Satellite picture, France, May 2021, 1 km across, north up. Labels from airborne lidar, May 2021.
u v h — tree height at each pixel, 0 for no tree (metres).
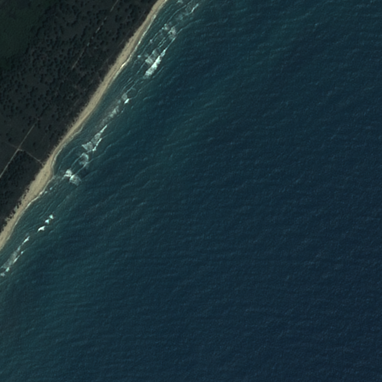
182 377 0
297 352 0
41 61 12
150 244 0
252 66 0
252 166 0
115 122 0
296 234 0
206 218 0
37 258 0
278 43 0
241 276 0
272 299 0
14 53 7
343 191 0
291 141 0
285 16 0
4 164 0
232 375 0
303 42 0
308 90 0
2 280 0
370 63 0
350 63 0
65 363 0
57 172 0
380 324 0
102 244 0
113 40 12
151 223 0
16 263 0
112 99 0
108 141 0
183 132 0
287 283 0
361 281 0
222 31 0
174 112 0
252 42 0
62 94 13
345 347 0
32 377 0
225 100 0
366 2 0
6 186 11
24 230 0
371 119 0
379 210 0
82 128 0
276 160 0
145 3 9
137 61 0
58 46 11
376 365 0
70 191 0
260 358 0
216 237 0
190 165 0
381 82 0
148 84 0
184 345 0
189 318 0
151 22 0
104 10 8
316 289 0
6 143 0
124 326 0
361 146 0
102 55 13
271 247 0
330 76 0
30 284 0
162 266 0
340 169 0
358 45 0
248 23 0
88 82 10
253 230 0
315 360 0
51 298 0
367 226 0
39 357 0
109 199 0
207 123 0
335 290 0
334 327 0
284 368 0
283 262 0
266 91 0
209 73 0
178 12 0
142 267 0
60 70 13
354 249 0
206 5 0
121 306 0
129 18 13
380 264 0
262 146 0
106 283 0
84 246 0
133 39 0
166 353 0
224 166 0
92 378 0
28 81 0
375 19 0
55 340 0
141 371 0
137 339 0
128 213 0
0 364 0
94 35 12
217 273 0
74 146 0
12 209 0
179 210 0
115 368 0
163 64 0
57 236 0
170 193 0
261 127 0
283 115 0
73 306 0
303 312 0
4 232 0
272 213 0
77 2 12
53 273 0
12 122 0
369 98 0
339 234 0
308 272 0
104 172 0
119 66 0
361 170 0
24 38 6
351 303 0
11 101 13
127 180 0
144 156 0
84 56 11
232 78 0
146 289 0
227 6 0
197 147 0
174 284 0
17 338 0
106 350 0
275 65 0
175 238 0
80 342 0
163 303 0
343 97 0
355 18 0
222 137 0
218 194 0
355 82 0
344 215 0
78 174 0
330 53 0
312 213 0
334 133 0
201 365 0
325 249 0
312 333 0
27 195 0
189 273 0
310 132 0
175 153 0
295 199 0
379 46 0
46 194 0
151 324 0
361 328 0
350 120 0
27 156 11
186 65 0
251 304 0
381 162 0
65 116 10
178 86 0
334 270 0
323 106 0
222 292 0
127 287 0
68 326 0
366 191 0
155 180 0
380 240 0
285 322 0
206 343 0
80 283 0
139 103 0
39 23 7
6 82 14
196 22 0
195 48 0
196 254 0
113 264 0
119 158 0
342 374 0
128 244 0
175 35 0
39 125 11
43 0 7
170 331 0
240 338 0
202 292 0
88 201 0
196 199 0
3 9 6
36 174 0
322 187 0
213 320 0
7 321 0
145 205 0
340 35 0
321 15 0
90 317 0
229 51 0
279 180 0
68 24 11
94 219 0
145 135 0
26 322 0
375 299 0
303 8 0
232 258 0
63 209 0
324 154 0
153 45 0
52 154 0
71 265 0
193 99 0
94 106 0
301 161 0
